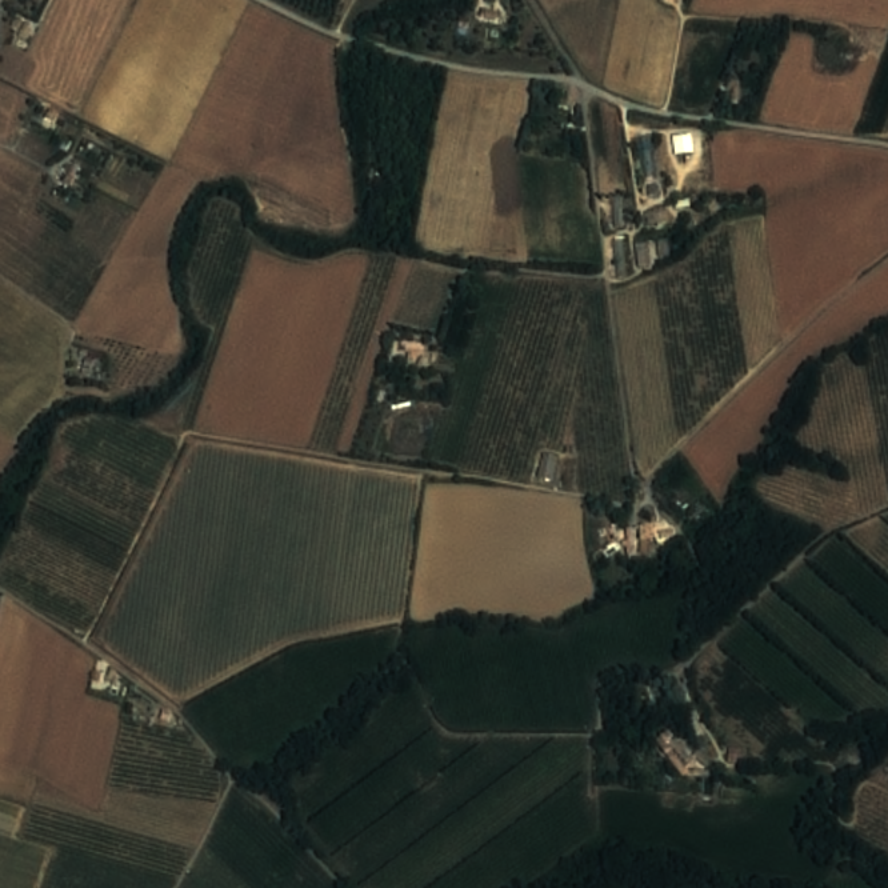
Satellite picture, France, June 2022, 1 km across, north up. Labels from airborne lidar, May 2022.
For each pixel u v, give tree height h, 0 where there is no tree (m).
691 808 0
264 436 0
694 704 10
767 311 0
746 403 0
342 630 0
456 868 7
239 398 0
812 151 0
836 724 12
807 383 18
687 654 16
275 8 0
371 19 10
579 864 12
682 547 17
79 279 0
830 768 0
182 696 0
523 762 7
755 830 0
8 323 0
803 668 16
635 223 10
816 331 0
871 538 0
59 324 0
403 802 9
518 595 0
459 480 11
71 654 0
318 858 10
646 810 0
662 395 0
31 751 0
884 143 0
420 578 0
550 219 0
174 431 0
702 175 0
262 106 0
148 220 0
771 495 0
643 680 24
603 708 13
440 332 14
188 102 0
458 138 0
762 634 15
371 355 0
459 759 7
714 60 0
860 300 0
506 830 7
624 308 0
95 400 11
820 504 0
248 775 19
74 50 0
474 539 0
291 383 0
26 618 0
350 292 0
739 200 6
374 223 14
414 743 7
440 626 13
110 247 0
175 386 11
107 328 0
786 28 8
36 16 5
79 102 0
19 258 0
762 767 14
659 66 0
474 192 0
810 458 16
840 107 0
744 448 0
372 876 7
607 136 0
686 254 13
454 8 15
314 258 10
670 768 14
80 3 0
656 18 0
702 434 0
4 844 0
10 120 0
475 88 0
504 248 0
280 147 0
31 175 0
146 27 0
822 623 14
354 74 11
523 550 0
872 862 17
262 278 0
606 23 0
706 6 0
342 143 0
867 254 0
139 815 0
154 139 0
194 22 0
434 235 0
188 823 0
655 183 0
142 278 0
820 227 0
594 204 11
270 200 0
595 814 0
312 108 0
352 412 0
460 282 15
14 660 0
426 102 11
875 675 14
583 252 0
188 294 17
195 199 15
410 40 10
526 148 7
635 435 0
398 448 0
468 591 0
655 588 17
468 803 7
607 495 12
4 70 0
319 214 0
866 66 0
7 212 0
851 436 0
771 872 0
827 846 22
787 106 0
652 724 23
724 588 13
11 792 0
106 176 0
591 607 15
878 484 0
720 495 0
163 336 0
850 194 0
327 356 0
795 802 0
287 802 20
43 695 0
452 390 11
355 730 16
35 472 14
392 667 12
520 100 0
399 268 0
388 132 10
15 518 15
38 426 14
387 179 12
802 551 8
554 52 9
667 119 5
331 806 9
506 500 0
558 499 0
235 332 0
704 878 26
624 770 7
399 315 0
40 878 0
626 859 24
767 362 0
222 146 0
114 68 0
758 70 12
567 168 0
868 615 17
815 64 0
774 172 0
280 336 0
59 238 0
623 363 0
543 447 0
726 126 11
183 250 15
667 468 6
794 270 0
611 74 0
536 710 0
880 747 20
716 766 14
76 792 0
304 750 24
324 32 0
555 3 0
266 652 0
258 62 0
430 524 0
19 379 0
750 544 18
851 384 0
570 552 0
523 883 23
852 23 0
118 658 0
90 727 0
